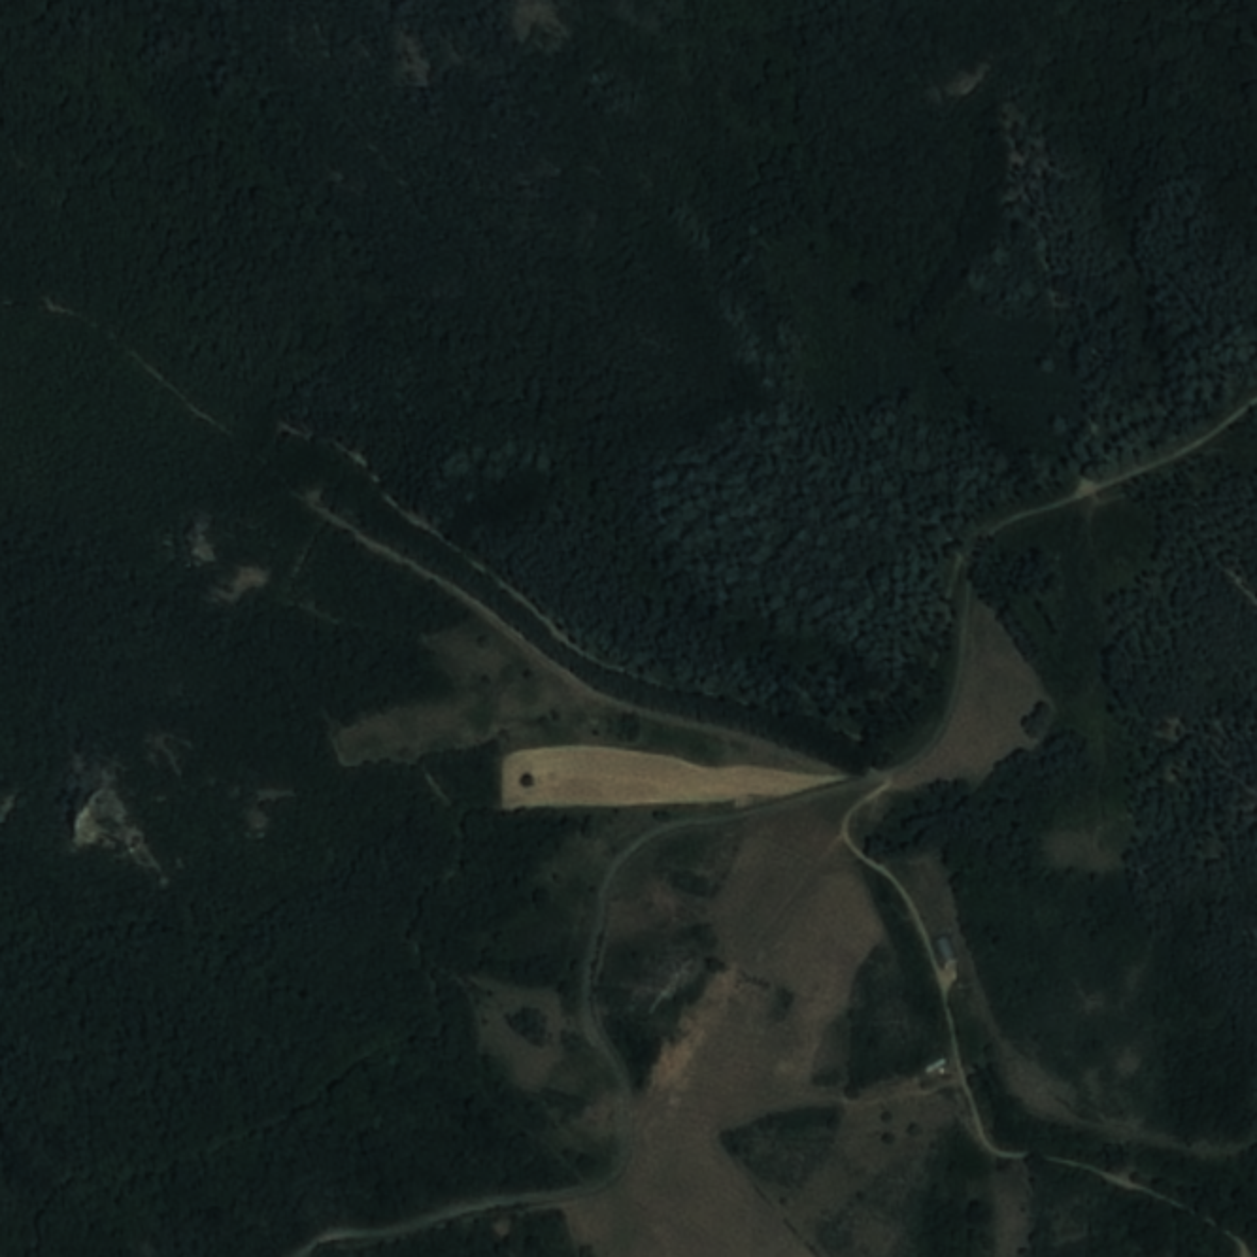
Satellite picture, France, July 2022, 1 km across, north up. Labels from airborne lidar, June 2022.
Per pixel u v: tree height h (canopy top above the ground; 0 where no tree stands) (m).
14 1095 17
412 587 8
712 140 9
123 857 5
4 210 15
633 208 6
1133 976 0
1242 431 18
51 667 10
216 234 12
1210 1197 15
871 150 7
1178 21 8
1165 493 21
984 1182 0
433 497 23
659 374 8
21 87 14
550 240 6
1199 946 18
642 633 22
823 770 0
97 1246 7
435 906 12
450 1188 11
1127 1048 0
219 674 13
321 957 10
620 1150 0
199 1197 14
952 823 25
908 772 0
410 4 10
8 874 14
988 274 15
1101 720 0
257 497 10
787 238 21
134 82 14
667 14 6
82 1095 14
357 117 7
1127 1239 9
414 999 12
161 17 16
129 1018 15
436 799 9
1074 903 0
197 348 9
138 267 16
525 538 22
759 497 22
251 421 12
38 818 9
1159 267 28
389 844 16
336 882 16
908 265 7
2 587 14
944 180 9
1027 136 16
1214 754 27
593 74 12
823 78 14
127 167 16
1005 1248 0
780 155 17
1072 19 13
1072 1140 8
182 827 11
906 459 20
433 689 10
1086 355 27
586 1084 0
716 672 19
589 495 7
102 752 6
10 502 7
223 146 19
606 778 0
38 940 9
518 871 7
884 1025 0
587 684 11
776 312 18
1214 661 17
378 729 0
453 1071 8
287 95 7
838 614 25
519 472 16
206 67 7
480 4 7
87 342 8
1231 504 16
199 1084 14
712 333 11
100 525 8
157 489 11
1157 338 21
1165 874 12
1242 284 21
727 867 0
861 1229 0
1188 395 25
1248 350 21
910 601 26
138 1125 13
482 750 7
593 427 18
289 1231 7
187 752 6
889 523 17
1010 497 26
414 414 21
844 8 12
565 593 18
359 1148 7
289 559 6
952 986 0
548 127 10
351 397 14
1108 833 0
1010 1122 10
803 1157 0
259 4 6
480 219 11
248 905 12
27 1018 13
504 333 8
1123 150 23
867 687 24
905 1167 0
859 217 16
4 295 9
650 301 10
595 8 12
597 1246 0
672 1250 0
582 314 11
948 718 0
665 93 7
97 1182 12
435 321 7
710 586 18
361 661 14
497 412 18
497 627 0
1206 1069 7
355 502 12
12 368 9
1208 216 21
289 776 8
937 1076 0
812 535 15
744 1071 0
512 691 0
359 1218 7
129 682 7
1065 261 18
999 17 8
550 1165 6
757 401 17
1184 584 16
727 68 10
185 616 8
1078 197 26
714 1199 0
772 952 0
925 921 0
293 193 8
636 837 0
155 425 12
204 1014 14
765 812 0
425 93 13
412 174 10
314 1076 13
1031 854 9
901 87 9
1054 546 0
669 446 14
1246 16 23
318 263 13
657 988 0
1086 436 22
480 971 8
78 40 11
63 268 10
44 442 9
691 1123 0
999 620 10
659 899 0
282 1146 12
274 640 15
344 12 6
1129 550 0
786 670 21
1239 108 18
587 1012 0
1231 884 9
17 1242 9
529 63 7
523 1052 0
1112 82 17
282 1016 14
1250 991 23
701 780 0
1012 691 0
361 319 10
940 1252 8
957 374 19
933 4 9
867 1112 0
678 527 25
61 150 16
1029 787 8
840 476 15
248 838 8
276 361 16
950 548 17
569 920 0
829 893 0
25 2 11
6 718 11
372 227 11
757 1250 0
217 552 7
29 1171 6
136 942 14
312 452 20
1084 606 0
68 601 9
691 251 10
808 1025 0
